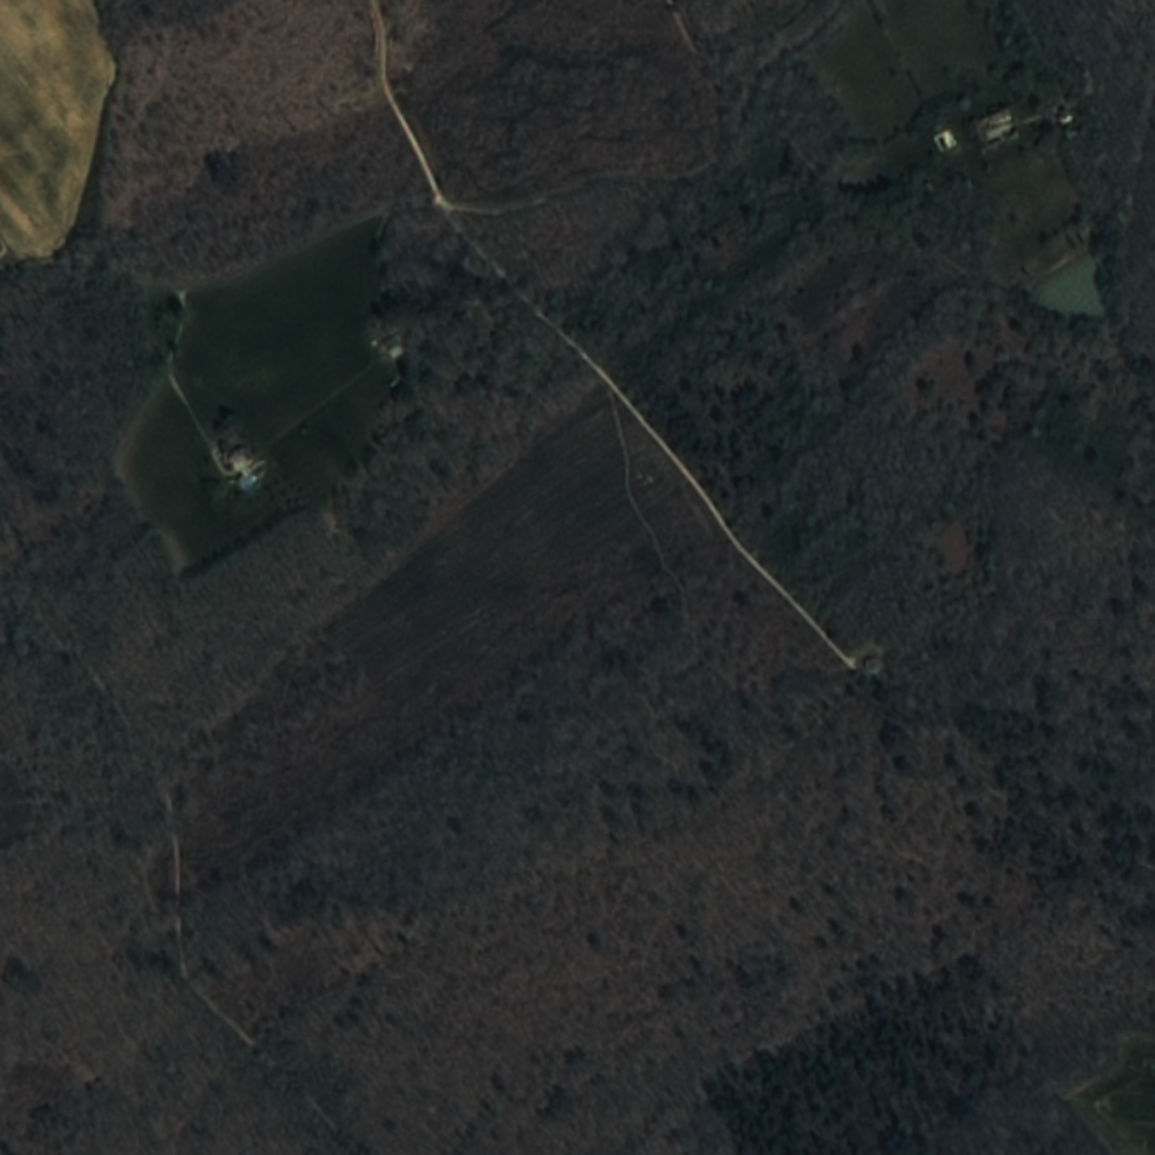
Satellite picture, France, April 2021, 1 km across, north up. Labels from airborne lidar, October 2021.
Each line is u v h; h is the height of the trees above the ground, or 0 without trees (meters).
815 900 13
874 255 7
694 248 15
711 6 15
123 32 8
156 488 0
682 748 14
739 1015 14
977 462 19
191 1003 16
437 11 11
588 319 13
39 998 18
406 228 13
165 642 13
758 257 7
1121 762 18
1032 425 7
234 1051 16
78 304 17
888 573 19
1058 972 10
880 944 13
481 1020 9
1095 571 6
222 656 25
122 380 18
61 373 11
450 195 13
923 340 19
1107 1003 8
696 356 7
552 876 12
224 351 0
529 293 17
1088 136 12
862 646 20
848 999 15
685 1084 14
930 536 7
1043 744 23
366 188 5
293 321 0
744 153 20
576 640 17
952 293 14
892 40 0
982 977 24
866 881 16
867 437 22
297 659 25
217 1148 16
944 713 17
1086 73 22
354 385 0
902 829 8
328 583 18
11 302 12
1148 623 17
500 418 14
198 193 8
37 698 21
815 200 8
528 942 10
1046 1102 20
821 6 18
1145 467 9
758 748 19
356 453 0
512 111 5
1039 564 17
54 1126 11
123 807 15
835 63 0
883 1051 19
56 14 0
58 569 13
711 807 10
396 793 18
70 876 17
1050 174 0
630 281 21
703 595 7
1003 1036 8
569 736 17
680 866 16
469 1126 15
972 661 15
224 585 21
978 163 0
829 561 20
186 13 7
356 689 13
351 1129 13
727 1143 23
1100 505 9
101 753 17
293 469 0
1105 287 15
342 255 0
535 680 12
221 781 18
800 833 12
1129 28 10
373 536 23
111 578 23
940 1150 15
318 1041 15
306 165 11
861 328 0
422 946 10
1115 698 20
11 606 23
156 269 10
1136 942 25
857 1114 15
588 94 7
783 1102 22
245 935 13
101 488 13
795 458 13
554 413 13
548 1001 12
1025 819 20
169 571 21
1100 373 14
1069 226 13
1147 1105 0
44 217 0
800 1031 11
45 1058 17
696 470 11
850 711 9
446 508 12
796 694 13
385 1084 11
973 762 11
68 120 0
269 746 15
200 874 7
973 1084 15
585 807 13
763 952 17
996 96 0
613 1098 12
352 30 0
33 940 18
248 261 16
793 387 8
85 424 15
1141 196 16
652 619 15
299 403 0
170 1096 14
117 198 15
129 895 15
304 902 27
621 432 0
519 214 8
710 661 15
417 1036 11
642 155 8
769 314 15
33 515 12
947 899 10
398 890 13
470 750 14
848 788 18
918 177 14
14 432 16
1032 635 13
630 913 9
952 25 0
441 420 20
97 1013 19
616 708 17
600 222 11
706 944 12
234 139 16
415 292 19
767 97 16
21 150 0
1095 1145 14
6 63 0
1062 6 18
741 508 10
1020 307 8
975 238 20
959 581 8
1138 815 19
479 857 13
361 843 18
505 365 21
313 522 21
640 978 9
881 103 0
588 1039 14
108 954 13
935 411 6
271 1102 18
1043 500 14
